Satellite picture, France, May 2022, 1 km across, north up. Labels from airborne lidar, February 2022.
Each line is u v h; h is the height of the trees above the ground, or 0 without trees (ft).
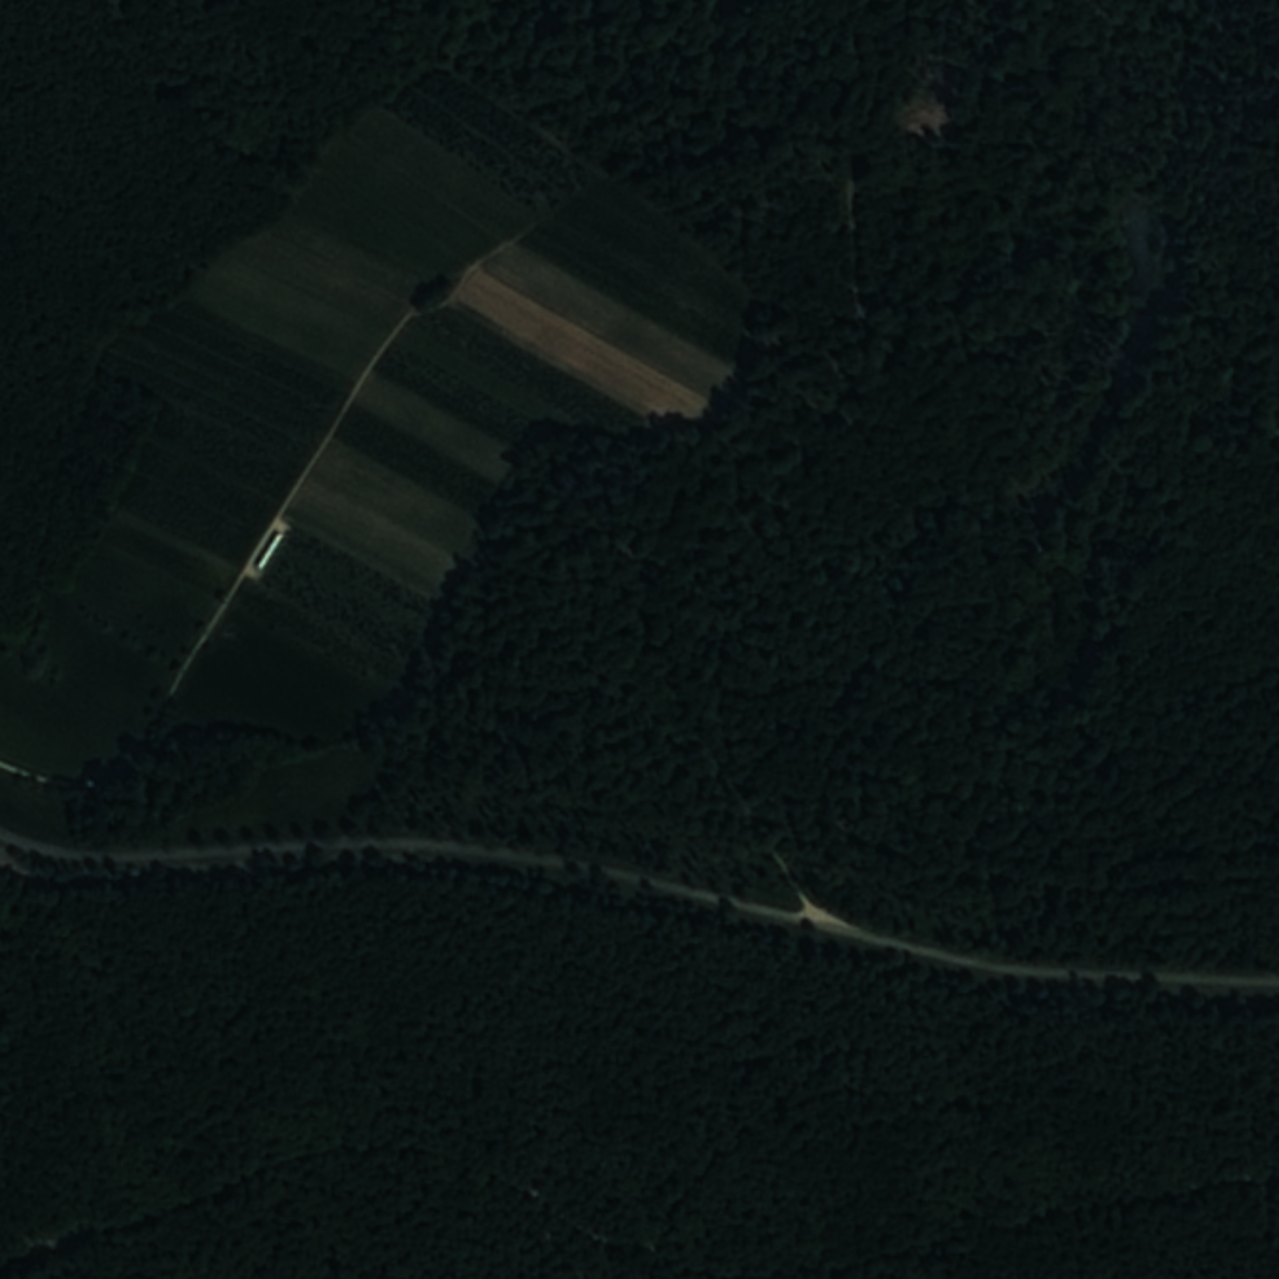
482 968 85
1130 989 61
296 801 0
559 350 0
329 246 0
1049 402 121
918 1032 73
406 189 0
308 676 0
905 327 91
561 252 0
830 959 79
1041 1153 81
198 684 0
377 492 0
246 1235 90
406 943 73
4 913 81
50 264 70
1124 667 90
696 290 0
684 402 0
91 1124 83
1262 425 104
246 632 0
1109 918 68
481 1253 83
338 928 69
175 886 72
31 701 0
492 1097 86
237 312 0
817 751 100
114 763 0
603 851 64
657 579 109
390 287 0
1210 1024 90
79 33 75
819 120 97
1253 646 88
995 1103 84
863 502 113
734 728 96
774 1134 82
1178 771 89
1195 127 102
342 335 0
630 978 82
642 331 0
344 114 73
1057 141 93
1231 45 41
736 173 97
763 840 87
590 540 92
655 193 70
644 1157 83
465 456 0
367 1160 87
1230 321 112
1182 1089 87
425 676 57
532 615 93
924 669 73
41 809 0
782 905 0
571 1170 78
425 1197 88
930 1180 86
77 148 78
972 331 94
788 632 93
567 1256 82
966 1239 82
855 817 95
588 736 104
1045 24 113
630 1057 88
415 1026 76
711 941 88
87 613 24
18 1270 86
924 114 0
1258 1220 77
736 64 74
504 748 101
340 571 0
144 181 82
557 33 122
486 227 0
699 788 99
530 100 61
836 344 77
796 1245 83
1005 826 112
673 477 90
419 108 25
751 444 90
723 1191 84
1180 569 81
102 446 61
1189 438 97
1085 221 110
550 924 86
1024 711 108
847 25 98
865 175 92
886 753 102
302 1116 79
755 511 111
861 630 102
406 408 0
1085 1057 101
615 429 0
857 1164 78
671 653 112
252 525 0
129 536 0
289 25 74
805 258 33
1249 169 90
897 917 0
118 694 0
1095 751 100
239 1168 84
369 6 83
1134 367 107
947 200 62
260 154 53
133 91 76
